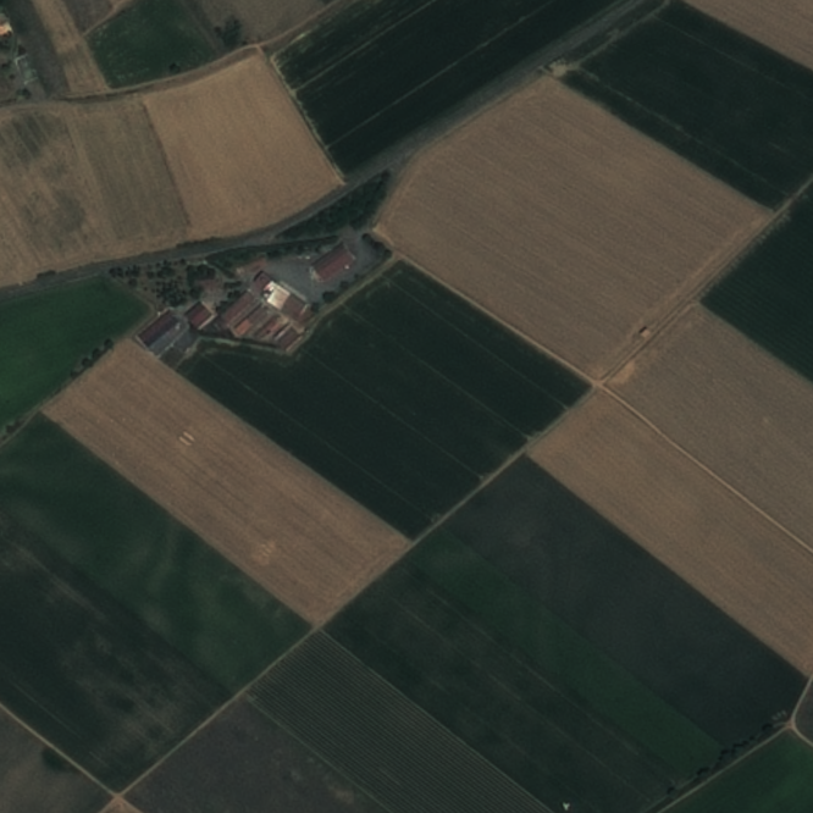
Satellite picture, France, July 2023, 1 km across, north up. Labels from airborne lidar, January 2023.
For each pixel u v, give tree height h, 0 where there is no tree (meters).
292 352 0
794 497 0
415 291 0
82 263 0
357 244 0
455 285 0
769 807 0
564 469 0
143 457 0
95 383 0
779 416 0
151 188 0
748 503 0
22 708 0
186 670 0
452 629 0
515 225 0
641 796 0
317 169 0
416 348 0
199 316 0
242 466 0
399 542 0
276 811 0
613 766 0
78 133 0
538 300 0
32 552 0
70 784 0
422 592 0
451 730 0
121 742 0
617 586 0
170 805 0
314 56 0
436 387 0
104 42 0
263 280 0
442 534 0
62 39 0
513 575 0
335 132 0
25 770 0
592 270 0
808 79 0
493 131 0
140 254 0
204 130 0
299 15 0
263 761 0
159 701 0
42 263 0
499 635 0
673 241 0
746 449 0
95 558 0
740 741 0
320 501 0
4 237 0
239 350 0
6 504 0
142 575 0
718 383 0
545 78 0
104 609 0
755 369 0
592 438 0
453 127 0
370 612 0
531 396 0
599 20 0
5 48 9
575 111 0
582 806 0
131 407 0
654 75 0
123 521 0
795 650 0
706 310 0
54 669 0
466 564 0
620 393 0
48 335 0
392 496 0
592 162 0
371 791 0
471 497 0
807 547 0
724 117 0
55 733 0
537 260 0
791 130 0
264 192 0
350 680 0
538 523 0
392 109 0
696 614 0
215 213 0
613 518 0
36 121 0
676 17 0
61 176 0
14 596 0
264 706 0
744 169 0
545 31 0
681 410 0
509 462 0
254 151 0
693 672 0
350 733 0
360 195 8
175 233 0
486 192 0
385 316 0
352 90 0
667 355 0
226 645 0
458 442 0
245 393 0
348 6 0
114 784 0
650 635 0
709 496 0
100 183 0
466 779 0
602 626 0
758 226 0
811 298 0
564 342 0
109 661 0
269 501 0
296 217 0
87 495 0
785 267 0
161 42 0
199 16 0
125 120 0
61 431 0
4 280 0
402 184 0
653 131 0
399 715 0
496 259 0
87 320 0
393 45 0
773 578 0
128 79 0
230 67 0
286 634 0
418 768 0
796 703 0
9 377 0
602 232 0
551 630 0
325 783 0
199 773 0
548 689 0
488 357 0
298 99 0
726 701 0
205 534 0
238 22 6
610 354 0
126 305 0
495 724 0
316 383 0
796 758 0
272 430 0
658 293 0
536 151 0
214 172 0
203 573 0
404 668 0
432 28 0
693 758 0
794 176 0
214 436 0
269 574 0
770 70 0
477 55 0
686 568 0
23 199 0
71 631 0
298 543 0
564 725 0
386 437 0
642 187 0
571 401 0
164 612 0
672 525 0
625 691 0
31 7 0
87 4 0
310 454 0
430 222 0
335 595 0
